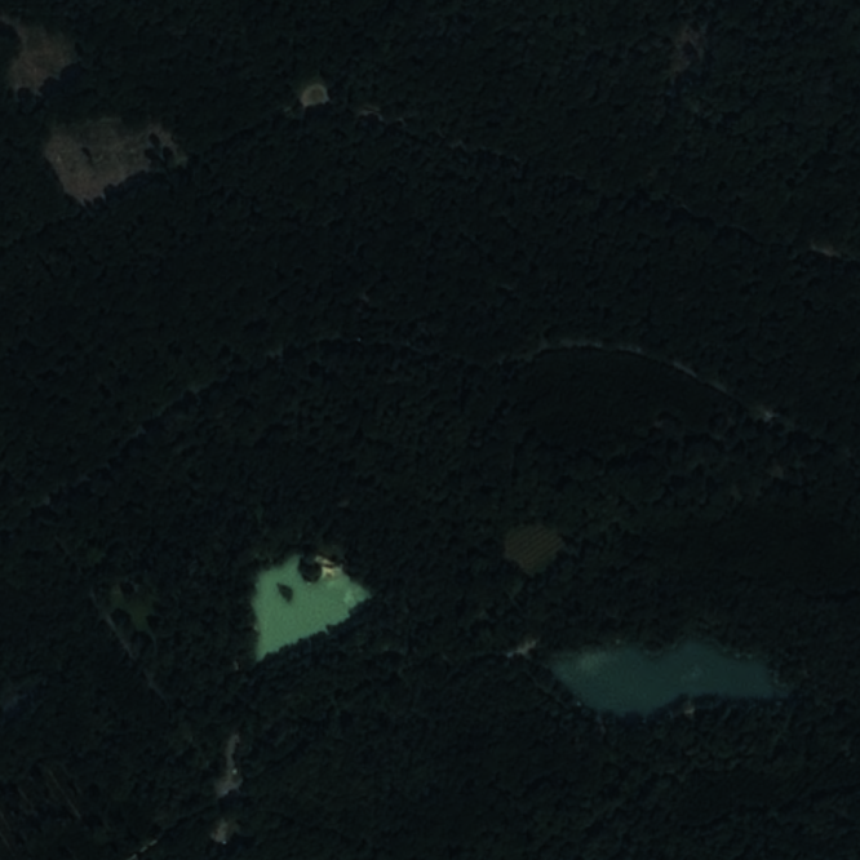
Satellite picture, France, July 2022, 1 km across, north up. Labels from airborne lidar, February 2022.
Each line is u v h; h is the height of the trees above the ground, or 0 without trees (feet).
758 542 37
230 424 70
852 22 105
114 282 91
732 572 81
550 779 95
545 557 0
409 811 89
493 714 73
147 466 79
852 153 95
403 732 80
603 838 99
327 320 73
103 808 90
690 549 55
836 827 88
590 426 35
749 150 77
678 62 83
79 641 71
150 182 71
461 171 73
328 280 80
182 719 71
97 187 0
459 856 83
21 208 70
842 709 86
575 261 78
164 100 72
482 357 77
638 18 90
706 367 76
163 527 81
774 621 67
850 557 25
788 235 77
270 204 74
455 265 81
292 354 78
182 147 74
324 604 0
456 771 97
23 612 72
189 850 77
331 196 66
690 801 54
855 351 88
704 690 0
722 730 86
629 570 70
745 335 78
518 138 67
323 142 77
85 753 69
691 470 72
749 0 82
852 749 49
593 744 90
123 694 68
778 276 75
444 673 95
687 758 82
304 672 65
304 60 71
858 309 78
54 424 102
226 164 69
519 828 98
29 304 79
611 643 23
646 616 55
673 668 0
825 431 80
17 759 66
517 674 47
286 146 67
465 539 32
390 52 80
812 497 95
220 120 76
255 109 79
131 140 0
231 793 0
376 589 44
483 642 89
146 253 73
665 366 31
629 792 21
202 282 78
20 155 74
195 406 85
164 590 123
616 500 78
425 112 67
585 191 83
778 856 89
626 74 85
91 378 85
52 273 68
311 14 49
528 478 79
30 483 88
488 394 89
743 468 82
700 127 87
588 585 77
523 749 87
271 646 0
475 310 58
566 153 83
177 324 67
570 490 74
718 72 92
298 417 72
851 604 78
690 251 80
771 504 35
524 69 79
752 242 62
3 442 71
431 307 56
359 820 90
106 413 73
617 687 0
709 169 85
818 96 101
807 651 57
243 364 74
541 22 74
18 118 73
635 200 28
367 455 77
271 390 81
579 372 25
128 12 79
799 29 68
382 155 68
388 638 68
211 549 89
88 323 76
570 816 79
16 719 78
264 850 80
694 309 78
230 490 78
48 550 88
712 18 79
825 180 86
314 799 82
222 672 103
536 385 25
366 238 73
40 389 78
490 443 97
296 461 76
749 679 0
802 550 35
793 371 70
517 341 72
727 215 70
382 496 75
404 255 78
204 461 83
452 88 74
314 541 40
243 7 64
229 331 77
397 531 78
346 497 81
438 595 59
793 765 78
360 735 82
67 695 74
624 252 80
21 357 93
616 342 74
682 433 28
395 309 68
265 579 0
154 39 79
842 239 79
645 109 89
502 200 77
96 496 90
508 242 83
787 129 90
